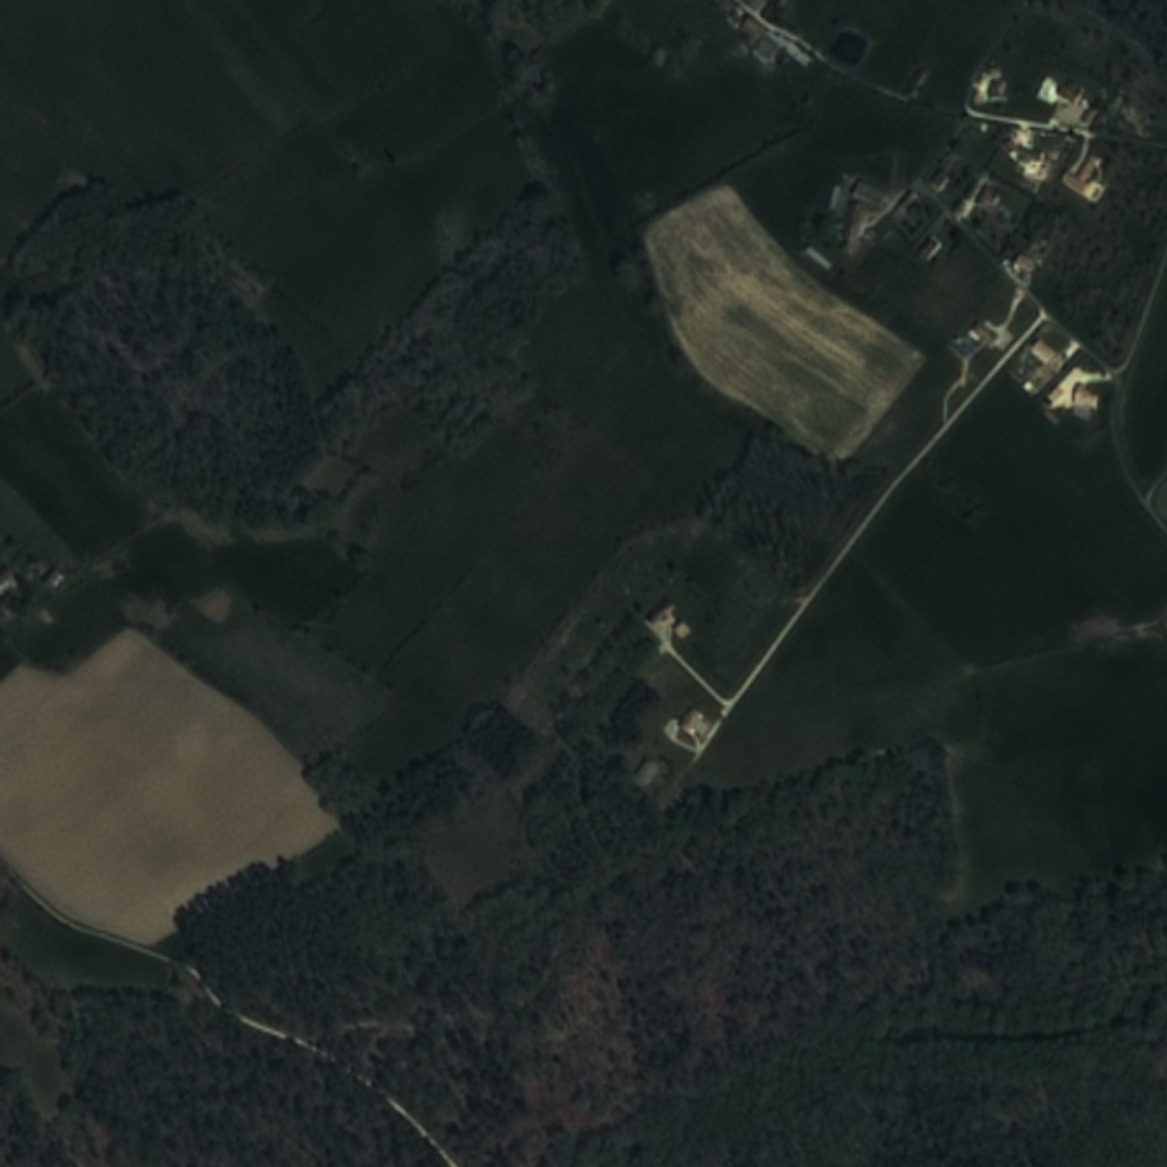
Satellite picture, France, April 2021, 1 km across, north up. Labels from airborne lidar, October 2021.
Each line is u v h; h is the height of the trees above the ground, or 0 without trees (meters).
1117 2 22
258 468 19
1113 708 0
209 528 19
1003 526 0
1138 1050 16
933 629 0
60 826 0
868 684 0
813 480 8
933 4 0
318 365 0
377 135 0
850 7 0
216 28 0
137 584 0
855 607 0
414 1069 13
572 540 0
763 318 0
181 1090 20
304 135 0
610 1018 14
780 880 11
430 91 0
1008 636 0
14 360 0
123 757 0
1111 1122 19
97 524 0
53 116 0
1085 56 0
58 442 0
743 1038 19
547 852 19
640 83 0
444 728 0
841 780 17
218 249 19
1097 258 7
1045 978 16
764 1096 30
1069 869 0
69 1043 17
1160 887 17
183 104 0
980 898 0
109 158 0
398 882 21
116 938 0
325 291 0
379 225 0
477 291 10
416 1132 17
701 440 0
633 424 0
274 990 23
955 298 0
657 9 0
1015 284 0
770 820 15
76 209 15
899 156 0
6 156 0
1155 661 0
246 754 0
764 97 0
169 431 25
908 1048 16
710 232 0
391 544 0
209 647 0
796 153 0
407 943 20
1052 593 0
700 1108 19
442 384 11
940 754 16
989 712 0
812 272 0
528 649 0
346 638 0
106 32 0
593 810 19
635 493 0
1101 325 9
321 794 14
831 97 0
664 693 0
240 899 22
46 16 0
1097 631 0
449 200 0
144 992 0
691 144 0
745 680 0
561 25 19
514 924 17
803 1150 17
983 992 8
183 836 0
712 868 8
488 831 0
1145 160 7
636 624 15
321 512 22
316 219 0
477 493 0
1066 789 0
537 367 0
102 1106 28
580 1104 12
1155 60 16
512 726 20
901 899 17
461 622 0
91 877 0
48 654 0
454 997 21
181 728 0
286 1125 13
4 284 0
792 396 0
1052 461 0
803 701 0
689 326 0
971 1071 19
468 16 11
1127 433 0
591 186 0
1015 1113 19
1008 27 0
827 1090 20
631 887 14
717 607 0
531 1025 11
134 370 11
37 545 0
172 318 26
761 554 22
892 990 17
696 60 16
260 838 0
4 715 0
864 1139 16
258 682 0
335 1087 22
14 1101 19
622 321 0
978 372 0
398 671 0
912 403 0
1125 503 0
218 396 14
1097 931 16
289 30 0
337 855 0
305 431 20
